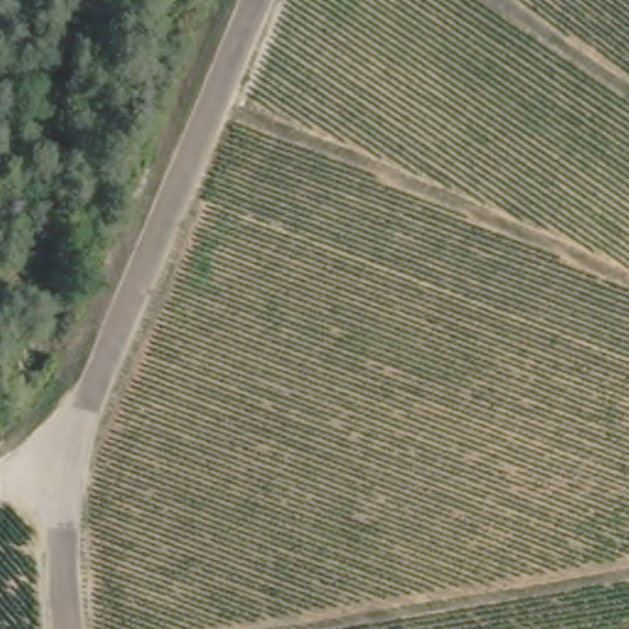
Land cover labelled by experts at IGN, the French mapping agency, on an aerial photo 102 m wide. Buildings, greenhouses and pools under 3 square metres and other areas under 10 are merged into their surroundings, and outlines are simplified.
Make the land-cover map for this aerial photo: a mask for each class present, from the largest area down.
<instances>
[{"label":"vineyard","instance_id":"1","mask_svg":"<svg viewBox=\"0 0 629 629\"><path fill-rule=\"evenodd\" d=\"M533 12L543 15L545 20L568 32L565 39H558L553 49H548L536 37L521 32L516 25L504 20L482 0H268L260 22L236 69V84L231 86V93L226 98V103L233 106L231 120L221 135V143L216 147L214 162L206 172L199 197L192 201L189 214L179 221L177 243L167 263L165 278L160 280V287L147 307L143 327L120 369L115 393L108 400L106 415L101 420L93 440L91 486L84 501L81 521L91 528L93 548V629H629V0H523ZM52 580L49 536L32 531L10 506H0V629H52V612L42 604L49 597Z\"/></svg>","mask_w":629,"mask_h":629},{"label":"coniferous trees","instance_id":"2","mask_svg":"<svg viewBox=\"0 0 629 629\"><path fill-rule=\"evenodd\" d=\"M216 0H0V435L20 425L29 413L27 403H32L37 396L27 383L34 381V373L42 371L49 361L44 351L37 349L42 346V342L49 339V334L61 339L69 332V319L74 315V300L61 302L52 292L20 280V273L34 246V233L44 229L47 221H71L76 199H93V206H98L96 219L108 224H115V209H123L125 194L135 189L138 177H143L147 167L152 170L155 165L160 140L170 123V113L177 101L179 86L184 81L187 64L197 54L201 29ZM42 76L52 81V115L44 120L39 138L25 140L22 115L29 103V96L22 91V84Z\"/></svg>","mask_w":629,"mask_h":629},{"label":"impervious surface","instance_id":"3","mask_svg":"<svg viewBox=\"0 0 629 629\"><path fill-rule=\"evenodd\" d=\"M268 0H233L216 52L204 74L201 88L192 103L184 130L165 167L152 206L143 221V229L135 238L120 280L111 292L86 366L79 381L61 398L84 410H93L101 420L106 415L108 400L115 393L120 369L143 327L147 307L160 287V280L165 278L167 263L177 243L179 221L189 214L192 201L199 197L206 172L214 162L216 147L221 143V135L231 120L233 106L226 103V98L231 93V86L236 84V69L260 22ZM93 548L91 528L81 521L79 531H74L71 523H61L59 528L49 531V536L52 580L49 597L42 604L52 612V629H93Z\"/></svg>","mask_w":629,"mask_h":629},{"label":"herbaceous vegetation","instance_id":"4","mask_svg":"<svg viewBox=\"0 0 629 629\"><path fill-rule=\"evenodd\" d=\"M233 0H216L201 29L197 54L187 64L184 81L179 86L177 101L170 113V123L160 140L155 165L152 170L147 167L143 177H138L135 189L125 194L123 209H115V224H108L103 229V268L108 270L111 290L93 302L91 315L84 324L69 319V332L61 339L49 334V339L42 342V346L37 349L44 351L49 361L42 371L34 373V381L27 383L37 396L32 403H27L29 413L20 425L0 435V457L17 450L52 415L61 398L79 381L86 366L111 292L120 280L135 238L143 229V221L152 206L165 167L184 130L192 103L201 88L204 74L216 52ZM504 20L516 25L521 32L536 37L548 49H553L558 39H565L568 32L545 20L543 15L533 12L523 0H482Z\"/></svg>","mask_w":629,"mask_h":629},{"label":"pervious surface","instance_id":"5","mask_svg":"<svg viewBox=\"0 0 629 629\"><path fill-rule=\"evenodd\" d=\"M101 420L93 410H84L61 398L52 415L17 450L0 457V506H10L32 531L49 536V531L59 528L61 523H71L74 531H79L81 521L84 501L91 486L93 440Z\"/></svg>","mask_w":629,"mask_h":629},{"label":"deciduous trees","instance_id":"6","mask_svg":"<svg viewBox=\"0 0 629 629\"><path fill-rule=\"evenodd\" d=\"M52 81L42 76L22 84V91L29 96V103L22 115L25 140L39 138L44 120L52 115ZM98 206H93V199H76L71 221H47L44 229L34 233V246L20 273V280L52 292L61 302L74 300V315L69 319L84 324L91 315L93 302L111 290L108 270L103 268V229L108 224L96 219Z\"/></svg>","mask_w":629,"mask_h":629}]
</instances>
